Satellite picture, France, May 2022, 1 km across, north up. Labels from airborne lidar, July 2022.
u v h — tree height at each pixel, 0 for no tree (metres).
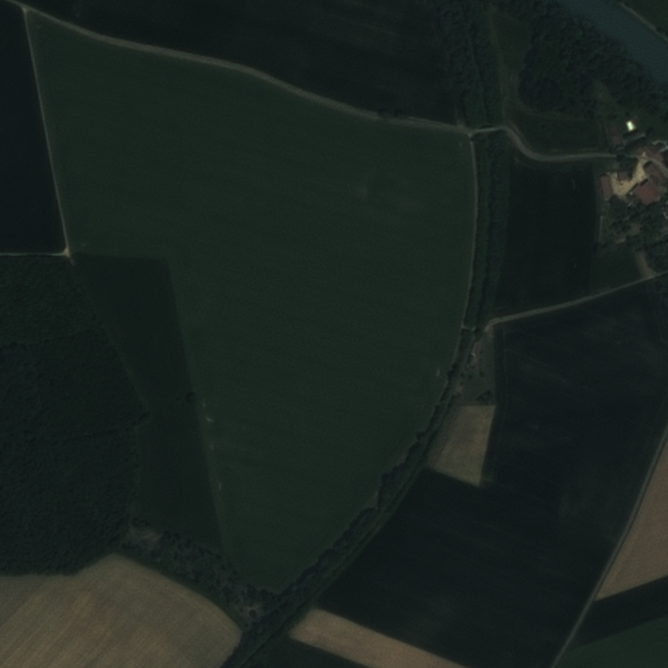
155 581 0
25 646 0
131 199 0
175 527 0
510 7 21
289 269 0
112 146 0
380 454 0
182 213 0
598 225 0
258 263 0
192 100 0
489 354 0
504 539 0
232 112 0
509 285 0
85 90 0
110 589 0
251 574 0
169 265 0
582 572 0
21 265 12
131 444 13
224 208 0
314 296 0
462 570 0
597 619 0
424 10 0
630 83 23
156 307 0
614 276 0
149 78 0
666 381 0
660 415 0
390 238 0
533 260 0
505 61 0
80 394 12
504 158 16
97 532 18
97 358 10
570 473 0
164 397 0
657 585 0
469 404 0
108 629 0
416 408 0
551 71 6
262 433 0
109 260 0
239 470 0
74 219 0
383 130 0
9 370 24
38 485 14
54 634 0
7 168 0
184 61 0
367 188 0
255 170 0
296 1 0
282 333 0
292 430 0
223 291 0
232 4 0
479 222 11
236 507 0
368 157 0
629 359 0
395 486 19
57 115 0
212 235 0
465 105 15
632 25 0
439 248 0
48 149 0
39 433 20
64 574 17
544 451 0
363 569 0
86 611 0
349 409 0
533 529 0
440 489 0
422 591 0
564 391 0
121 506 15
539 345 0
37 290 13
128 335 0
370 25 0
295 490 0
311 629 0
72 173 0
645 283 0
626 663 0
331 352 0
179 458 0
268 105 0
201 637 0
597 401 0
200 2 0
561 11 21
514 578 0
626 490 0
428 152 0
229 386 0
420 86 0
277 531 0
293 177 0
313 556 0
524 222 0
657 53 0
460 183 0
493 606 0
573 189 0
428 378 0
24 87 0
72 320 13
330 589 0
